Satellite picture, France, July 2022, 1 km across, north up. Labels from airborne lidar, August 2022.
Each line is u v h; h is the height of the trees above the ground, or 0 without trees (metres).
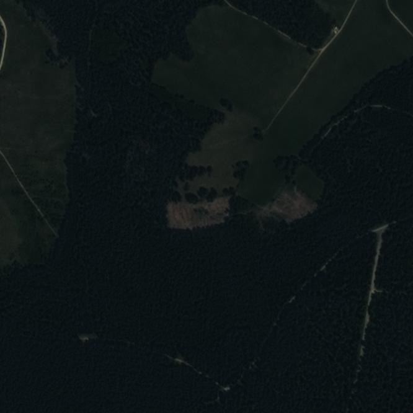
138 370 27
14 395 27
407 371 14
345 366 31
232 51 0
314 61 0
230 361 26
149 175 21
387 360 33
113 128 20
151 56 16
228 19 0
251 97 0
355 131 14
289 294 16
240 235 16
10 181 0
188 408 31
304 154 21
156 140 18
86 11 26
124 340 13
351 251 18
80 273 18
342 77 0
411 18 0
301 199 0
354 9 0
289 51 0
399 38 0
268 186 0
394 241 17
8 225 0
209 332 15
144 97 18
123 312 15
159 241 23
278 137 0
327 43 0
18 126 0
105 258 17
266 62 0
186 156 10
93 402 28
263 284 17
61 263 21
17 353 26
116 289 17
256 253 19
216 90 0
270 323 8
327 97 0
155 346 25
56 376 26
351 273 16
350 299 30
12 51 0
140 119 19
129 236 12
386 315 27
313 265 7
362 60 0
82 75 30
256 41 0
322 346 25
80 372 27
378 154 8
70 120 0
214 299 15
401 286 16
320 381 26
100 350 29
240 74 0
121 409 26
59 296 19
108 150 29
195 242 19
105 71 13
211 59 0
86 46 29
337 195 13
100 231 19
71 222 20
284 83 0
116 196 17
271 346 29
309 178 0
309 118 0
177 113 30
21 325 19
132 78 22
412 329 36
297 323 32
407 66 13
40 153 0
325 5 0
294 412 27
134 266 11
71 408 26
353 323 12
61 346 24
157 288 15
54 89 0
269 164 0
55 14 20
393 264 14
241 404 28
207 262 17
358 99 14
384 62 0
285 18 28
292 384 34
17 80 0
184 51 18
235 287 14
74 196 22
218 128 0
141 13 7
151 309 17
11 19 0
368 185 11
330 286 14
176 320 12
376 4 0
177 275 12
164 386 22
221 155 0
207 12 0
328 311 31
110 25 8
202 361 26
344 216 25
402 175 16
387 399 9
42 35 0
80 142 31
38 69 0
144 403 24
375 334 29
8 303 12
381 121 11
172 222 0
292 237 10
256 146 0
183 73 0
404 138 16
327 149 16
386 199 19
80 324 23
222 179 0
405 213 19
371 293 0
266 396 33
